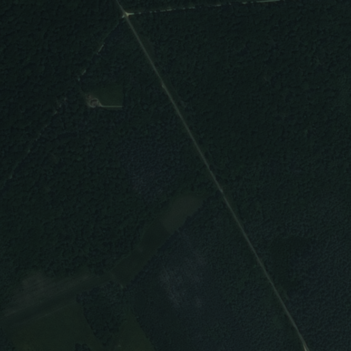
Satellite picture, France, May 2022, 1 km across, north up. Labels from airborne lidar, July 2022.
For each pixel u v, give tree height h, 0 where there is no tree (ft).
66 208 83
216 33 86
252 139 100
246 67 69
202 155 0
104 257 87
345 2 79
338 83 76
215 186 83
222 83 85
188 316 77
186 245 80
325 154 80
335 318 102
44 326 0
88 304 92
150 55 0
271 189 90
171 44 80
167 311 72
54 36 87
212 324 72
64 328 0
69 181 102
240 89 71
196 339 78
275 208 92
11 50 96
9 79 92
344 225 75
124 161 115
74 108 102
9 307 0
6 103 57
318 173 79
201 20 88
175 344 69
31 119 94
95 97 0
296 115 76
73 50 80
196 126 80
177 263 86
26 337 0
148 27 87
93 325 90
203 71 66
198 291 84
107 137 81
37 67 100
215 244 66
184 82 20
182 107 77
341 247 87
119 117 85
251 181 76
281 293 43
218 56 79
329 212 76
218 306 89
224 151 84
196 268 82
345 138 64
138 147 130
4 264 82
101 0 92
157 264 82
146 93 102
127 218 91
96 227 93
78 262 81
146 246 0
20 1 94
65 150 94
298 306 113
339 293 102
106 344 86
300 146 88
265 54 91
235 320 88
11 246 90
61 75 97
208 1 88
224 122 87
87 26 78
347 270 92
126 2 57
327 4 75
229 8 91
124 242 51
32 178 87
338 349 91
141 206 85
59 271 68
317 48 66
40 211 88
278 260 39
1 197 51
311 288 102
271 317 88
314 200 88
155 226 0
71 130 108
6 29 99
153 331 72
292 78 81
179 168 87
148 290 67
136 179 109
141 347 0
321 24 96
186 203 0
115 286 57
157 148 119
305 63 82
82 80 70
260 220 76
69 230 76
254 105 54
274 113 62
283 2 55
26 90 92
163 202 23
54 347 0
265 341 69
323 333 122
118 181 70
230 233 65
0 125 94
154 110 86
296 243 40
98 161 104
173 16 71
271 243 39
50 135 88
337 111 93
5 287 74
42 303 0
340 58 74
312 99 80
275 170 100
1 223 67
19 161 73
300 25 69
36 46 60
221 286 79
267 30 74
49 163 98
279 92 69
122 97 0
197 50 66
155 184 68
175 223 0
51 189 100
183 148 89
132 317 0
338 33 75
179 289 82
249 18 87
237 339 73
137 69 79
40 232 83
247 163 85
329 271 110
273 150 91
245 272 61
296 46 68
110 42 94
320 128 87
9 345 64
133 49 69
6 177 73
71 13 94
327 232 66
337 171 76
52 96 89
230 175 85
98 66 77
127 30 92
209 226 45
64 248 74
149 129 119
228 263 56
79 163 61
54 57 99
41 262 79
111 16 89
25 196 83
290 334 69
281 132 39
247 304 69
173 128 102
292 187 94
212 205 67
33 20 100
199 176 95
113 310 78
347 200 86
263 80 63
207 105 77
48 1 86
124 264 0
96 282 0
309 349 48
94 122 104
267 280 76
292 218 81
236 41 83
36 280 0
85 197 82
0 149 57
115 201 86
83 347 35
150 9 89
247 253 68
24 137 91
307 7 77
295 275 63
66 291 0
